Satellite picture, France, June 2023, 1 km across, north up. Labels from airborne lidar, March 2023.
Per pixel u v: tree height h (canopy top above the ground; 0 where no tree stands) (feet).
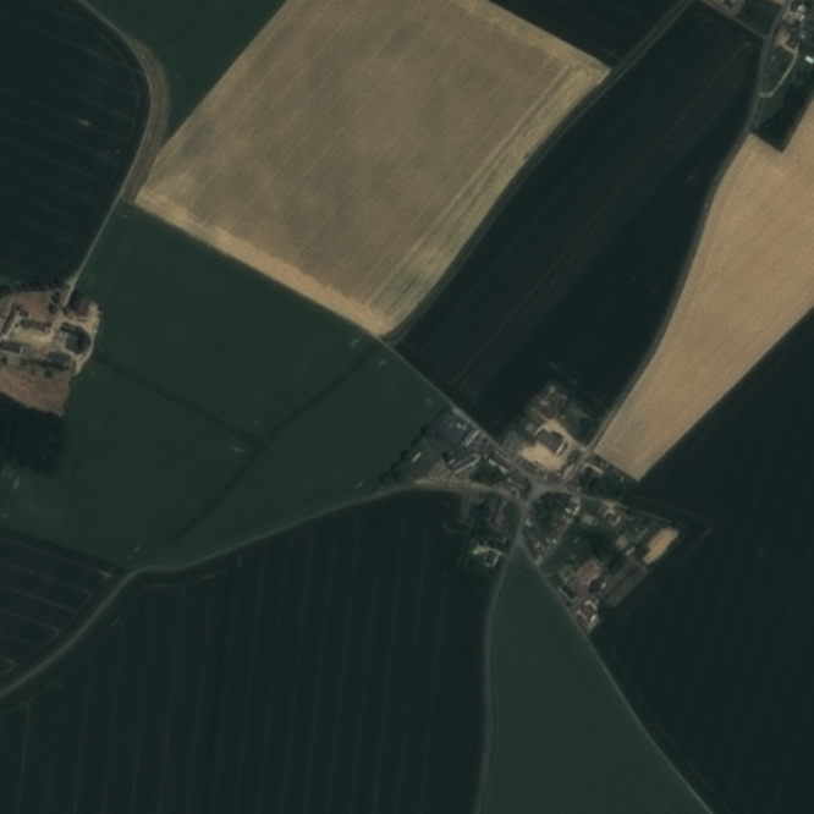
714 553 0
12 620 0
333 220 0
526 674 0
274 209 0
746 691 0
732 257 0
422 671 0
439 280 0
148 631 0
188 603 0
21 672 0
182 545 0
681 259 0
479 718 0
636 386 0
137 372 0
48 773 0
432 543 0
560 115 0
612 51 0
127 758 0
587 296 0
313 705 0
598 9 0
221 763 0
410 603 0
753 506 0
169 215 0
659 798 0
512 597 0
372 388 0
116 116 0
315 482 0
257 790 0
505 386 0
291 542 0
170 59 0
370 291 0
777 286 0
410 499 0
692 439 0
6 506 0
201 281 0
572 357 0
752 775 0
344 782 0
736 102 0
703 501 0
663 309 0
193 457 0
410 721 0
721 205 0
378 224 0
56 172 0
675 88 0
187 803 0
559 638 0
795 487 0
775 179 0
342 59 0
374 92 0
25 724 0
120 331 0
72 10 0
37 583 0
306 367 0
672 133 0
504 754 0
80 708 0
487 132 0
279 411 0
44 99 0
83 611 0
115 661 0
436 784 0
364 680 0
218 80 0
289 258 0
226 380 0
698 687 0
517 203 0
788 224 0
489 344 0
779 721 0
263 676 0
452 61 0
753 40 0
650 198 0
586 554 0
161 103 0
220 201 0
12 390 0
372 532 0
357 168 0
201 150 0
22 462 47
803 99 40
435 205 0
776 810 0
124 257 0
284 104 0
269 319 0
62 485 0
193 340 0
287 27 0
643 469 0
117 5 0
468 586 0
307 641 0
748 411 0
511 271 0
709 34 0
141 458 0
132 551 0
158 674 0
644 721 0
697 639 0
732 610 0
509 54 0
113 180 0
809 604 0
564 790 0
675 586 0
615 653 0
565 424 0
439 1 0
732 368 0
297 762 0
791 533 0
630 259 0
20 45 0
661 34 0
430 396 0
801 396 0
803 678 0
